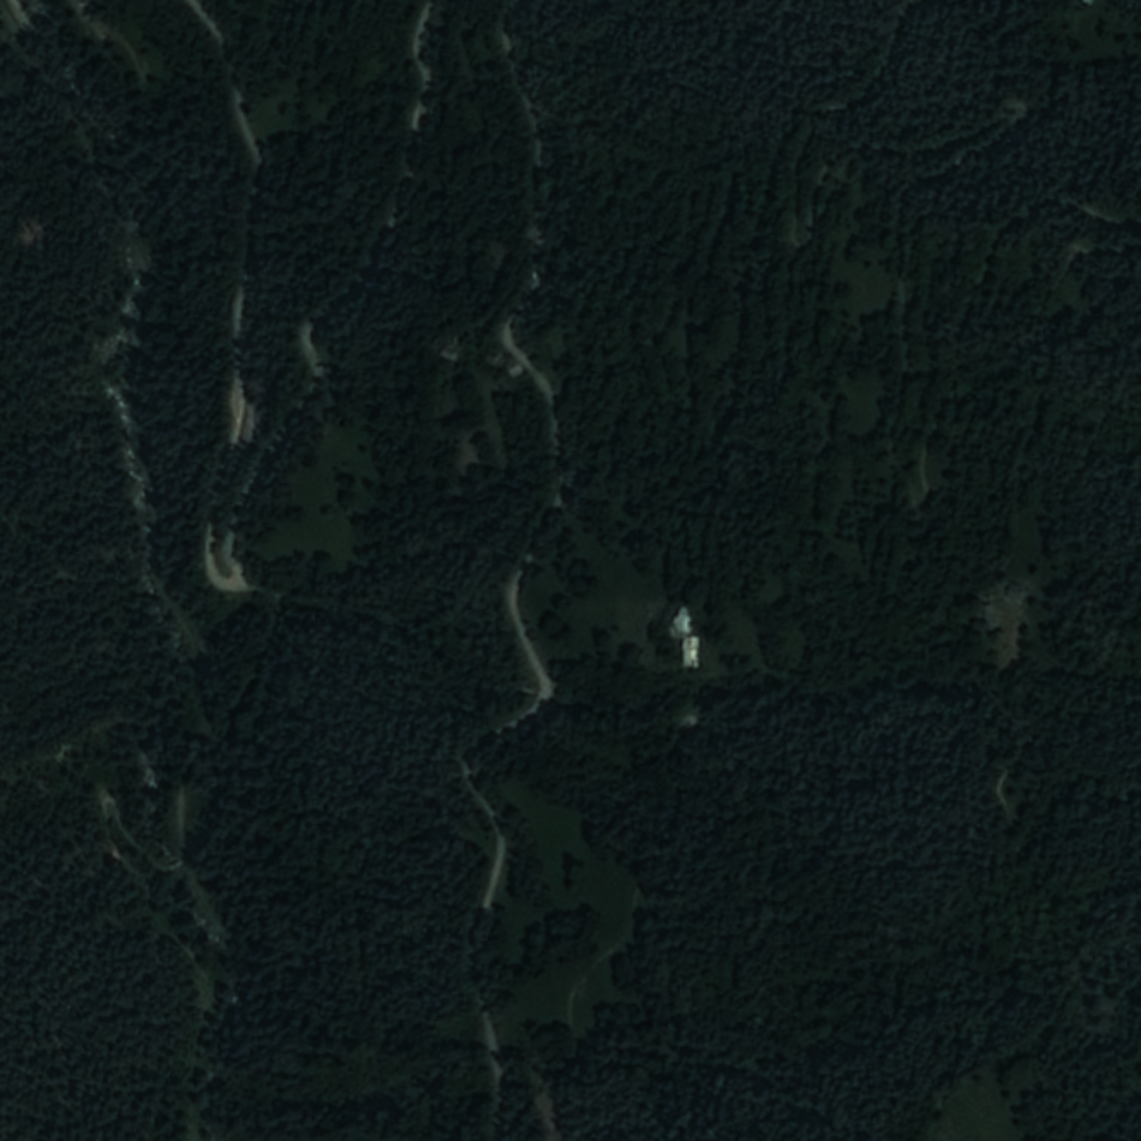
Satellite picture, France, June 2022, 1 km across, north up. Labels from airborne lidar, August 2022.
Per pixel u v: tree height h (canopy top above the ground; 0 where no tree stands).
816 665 20
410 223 19
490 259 21
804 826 31
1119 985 9
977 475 18
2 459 21
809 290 22
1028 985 18
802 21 21
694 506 17
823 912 12
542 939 19
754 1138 32
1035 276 8
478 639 21
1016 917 16
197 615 17
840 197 14
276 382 13
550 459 21
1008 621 0
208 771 6
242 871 19
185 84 6
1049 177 22
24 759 18
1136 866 13
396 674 25
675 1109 28
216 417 25
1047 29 10
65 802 23
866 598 23
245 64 23
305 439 18
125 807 11
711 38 35
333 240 20
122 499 33
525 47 12
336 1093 7
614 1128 9
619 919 0
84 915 9
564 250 23
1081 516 18
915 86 20
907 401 18
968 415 17
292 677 31
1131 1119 24
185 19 20
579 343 11
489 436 13
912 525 21
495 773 11
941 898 21
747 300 23
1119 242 26
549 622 16
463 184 20
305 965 8
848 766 28
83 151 7
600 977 0
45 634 29
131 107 23
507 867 0
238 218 26
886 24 17
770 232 13
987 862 27
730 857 26
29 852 31
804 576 15
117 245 33
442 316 15
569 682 26
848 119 19
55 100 35
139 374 31
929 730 32
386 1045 20
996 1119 0
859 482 10
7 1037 15
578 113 24
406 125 19
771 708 17
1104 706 17
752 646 0
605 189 26
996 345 9
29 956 23
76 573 17
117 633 17
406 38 13
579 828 0
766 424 20
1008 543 20
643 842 24
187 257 14
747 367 26
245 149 17
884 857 26
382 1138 7
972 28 22
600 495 12
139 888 22
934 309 8
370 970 29
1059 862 19
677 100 24
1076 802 33
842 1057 30
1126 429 13
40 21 22
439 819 27
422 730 27
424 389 26
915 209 21
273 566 11
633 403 20
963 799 26
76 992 24
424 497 21
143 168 38
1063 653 20
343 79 20
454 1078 10
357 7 21
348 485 17
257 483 9
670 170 6
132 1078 10
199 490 31
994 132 10
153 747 34
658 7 20
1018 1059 16
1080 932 15
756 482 25
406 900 23
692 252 19
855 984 11
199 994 23
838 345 13
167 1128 33
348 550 0
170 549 16
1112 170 26
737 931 19
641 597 0
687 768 29
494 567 24
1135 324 9
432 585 13
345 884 22
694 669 11
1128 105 16
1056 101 11
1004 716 24
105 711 21
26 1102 24
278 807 25
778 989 17
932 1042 34
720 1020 21
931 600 12
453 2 12
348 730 24
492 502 22
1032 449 16
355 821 9
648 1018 9
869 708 36
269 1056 30
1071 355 25
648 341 18
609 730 19
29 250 18
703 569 20
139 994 28
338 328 26
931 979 13
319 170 25
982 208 27
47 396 26
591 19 25
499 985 21
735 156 25
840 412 16
